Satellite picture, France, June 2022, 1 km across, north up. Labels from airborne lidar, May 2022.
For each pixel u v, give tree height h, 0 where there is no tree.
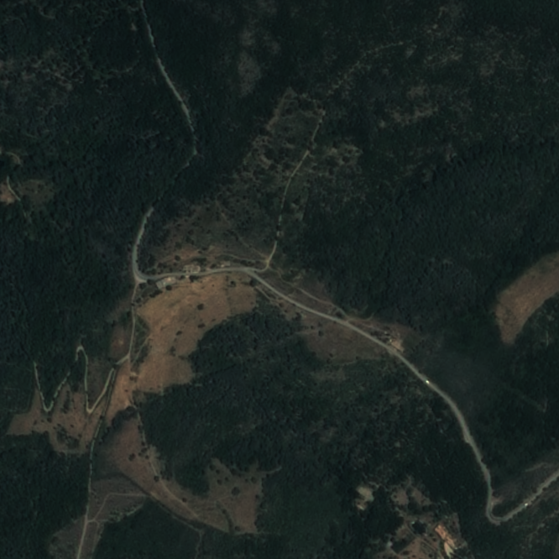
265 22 10
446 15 7
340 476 17
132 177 20
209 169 15
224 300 0
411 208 19
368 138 13
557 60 13
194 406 7
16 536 6
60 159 11
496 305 0
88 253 14
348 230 17
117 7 18
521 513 6
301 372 11
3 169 15
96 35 13
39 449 6
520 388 12
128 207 13
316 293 0
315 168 12
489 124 6
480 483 7
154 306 0
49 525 10
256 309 7
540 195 9
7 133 6
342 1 10
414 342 0
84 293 9
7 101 11
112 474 0
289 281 0
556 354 12
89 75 16
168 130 18
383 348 0
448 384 0
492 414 7
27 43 16
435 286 14
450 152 13
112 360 8
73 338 6
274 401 9
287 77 17
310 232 13
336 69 11
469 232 9
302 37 9
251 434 10
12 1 15
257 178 10
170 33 12
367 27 10
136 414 10
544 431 7
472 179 14
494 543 10
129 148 18
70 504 12
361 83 10
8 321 17
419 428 8
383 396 13
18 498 8
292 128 7
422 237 10
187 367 0
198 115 9
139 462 0
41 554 9
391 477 10
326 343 0
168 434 7
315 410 8
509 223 9
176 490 0
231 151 13
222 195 10
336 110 13
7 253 21
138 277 0
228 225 0
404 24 9
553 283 0
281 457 8
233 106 10
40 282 14
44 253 16
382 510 9
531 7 12
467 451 9
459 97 10
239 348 17
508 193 12
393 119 7
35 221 11
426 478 7
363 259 14
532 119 10
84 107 9
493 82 10
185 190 11
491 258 8
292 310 0
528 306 0
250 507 0
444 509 9
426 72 7
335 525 9
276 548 9
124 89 15
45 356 6
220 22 8
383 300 8
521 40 7
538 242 17
